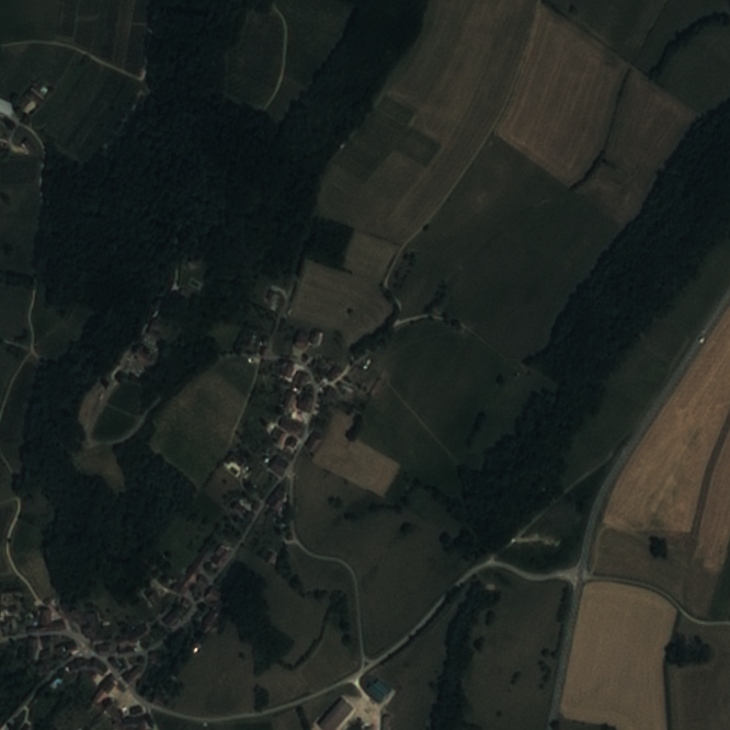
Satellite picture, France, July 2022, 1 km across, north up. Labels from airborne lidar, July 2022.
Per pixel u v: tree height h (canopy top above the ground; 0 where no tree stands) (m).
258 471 0
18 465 0
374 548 0
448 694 14
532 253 0
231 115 31
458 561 0
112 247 23
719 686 0
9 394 0
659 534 0
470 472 9
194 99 30
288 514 16
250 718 0
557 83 0
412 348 0
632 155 0
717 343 0
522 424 17
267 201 29
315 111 23
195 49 15
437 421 0
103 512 16
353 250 0
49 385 18
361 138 0
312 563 0
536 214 0
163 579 9
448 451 0
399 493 0
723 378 0
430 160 0
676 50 10
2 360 0
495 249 0
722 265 0
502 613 0
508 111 0
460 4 0
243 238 22
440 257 0
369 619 0
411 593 0
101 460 0
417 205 0
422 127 0
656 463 0
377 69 11
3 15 0
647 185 0
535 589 0
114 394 0
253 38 0
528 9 0
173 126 24
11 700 6
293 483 0
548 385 0
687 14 0
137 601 14
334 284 0
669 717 0
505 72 0
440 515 0
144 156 16
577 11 10
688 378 0
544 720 0
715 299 0
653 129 0
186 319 18
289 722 0
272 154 30
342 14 0
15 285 11
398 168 0
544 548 0
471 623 11
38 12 0
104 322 22
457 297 0
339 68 20
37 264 17
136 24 0
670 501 0
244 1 14
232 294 20
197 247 14
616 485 0
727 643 0
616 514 0
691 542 0
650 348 0
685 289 22
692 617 0
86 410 0
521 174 0
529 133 0
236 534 6
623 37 0
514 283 0
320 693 0
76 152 0
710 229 14
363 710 0
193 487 19
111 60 0
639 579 0
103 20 0
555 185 0
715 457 0
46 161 8
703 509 0
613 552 0
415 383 0
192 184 30
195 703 0
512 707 0
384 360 0
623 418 0
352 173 0
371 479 0
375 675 0
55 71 0
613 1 0
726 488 0
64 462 15
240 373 0
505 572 0
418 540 0
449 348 0
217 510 0
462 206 0
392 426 0
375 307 0
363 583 0
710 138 11
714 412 0
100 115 0
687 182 8
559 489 20
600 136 0
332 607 6
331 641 0
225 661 0
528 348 0
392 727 0
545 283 0
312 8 0
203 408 0
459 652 14
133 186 21
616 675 0
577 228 0
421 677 0
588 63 0
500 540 18
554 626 0
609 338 15
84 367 12
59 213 21
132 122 14
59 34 0
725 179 23
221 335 0
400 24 21
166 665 12
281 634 6
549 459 23
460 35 0
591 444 0
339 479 0
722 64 0
